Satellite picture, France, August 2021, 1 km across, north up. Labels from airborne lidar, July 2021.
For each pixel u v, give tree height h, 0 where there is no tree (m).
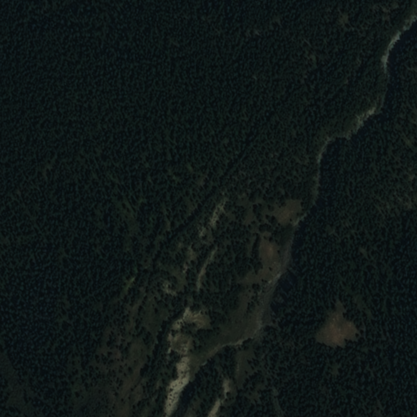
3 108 16
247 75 15
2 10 20
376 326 16
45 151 16
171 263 23
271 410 10
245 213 18
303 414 11
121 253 11
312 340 13
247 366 0
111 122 15
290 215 0
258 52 20
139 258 9
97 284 13
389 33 24
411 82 17
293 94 19
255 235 9
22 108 12
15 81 15
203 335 24
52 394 15
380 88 8
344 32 24
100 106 9
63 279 11
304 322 13
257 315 0
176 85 12
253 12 19
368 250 18
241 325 0
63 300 14
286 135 17
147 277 8
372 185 20
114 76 15
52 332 21
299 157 17
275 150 14
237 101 18
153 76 19
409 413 17
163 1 17
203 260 21
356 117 6
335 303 12
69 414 9
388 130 21
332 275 16
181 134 16
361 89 20
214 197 16
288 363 11
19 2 23
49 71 13
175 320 14
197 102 14
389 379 13
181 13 13
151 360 18
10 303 19
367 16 15
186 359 0
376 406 8
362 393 11
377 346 14
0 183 9
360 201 23
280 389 8
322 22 23
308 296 15
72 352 14
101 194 14
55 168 7
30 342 16
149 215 14
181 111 15
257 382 13
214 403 14
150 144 11
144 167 13
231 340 0
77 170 12
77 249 13
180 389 0
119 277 14
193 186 17
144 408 8
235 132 17
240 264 22
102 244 12
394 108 18
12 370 0
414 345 19
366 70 21
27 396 8
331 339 0
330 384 8
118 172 20
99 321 10
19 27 11
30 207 17
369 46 10
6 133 16
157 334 0
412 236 20
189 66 19
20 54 16
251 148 17
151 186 18
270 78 18
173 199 14
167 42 20
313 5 17
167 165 17
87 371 14
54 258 15
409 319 17
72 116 18
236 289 13
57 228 13
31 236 15
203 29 14
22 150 14
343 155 12
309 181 12
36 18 19
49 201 11
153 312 0
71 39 15
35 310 15
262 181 18
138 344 0
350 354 12
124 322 8
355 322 13
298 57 24
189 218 0
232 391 0
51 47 13
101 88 22
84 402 0
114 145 19
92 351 9
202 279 0
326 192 10
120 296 14
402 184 16
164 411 16
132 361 0
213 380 16
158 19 20
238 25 23
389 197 10
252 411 15
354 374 12
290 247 0
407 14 20
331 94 18
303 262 20
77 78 11
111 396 0
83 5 10
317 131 17
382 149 14
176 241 12
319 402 18
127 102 18
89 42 8
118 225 18
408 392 13
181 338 0
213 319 23
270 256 0
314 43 23
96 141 12
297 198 13
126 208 15
